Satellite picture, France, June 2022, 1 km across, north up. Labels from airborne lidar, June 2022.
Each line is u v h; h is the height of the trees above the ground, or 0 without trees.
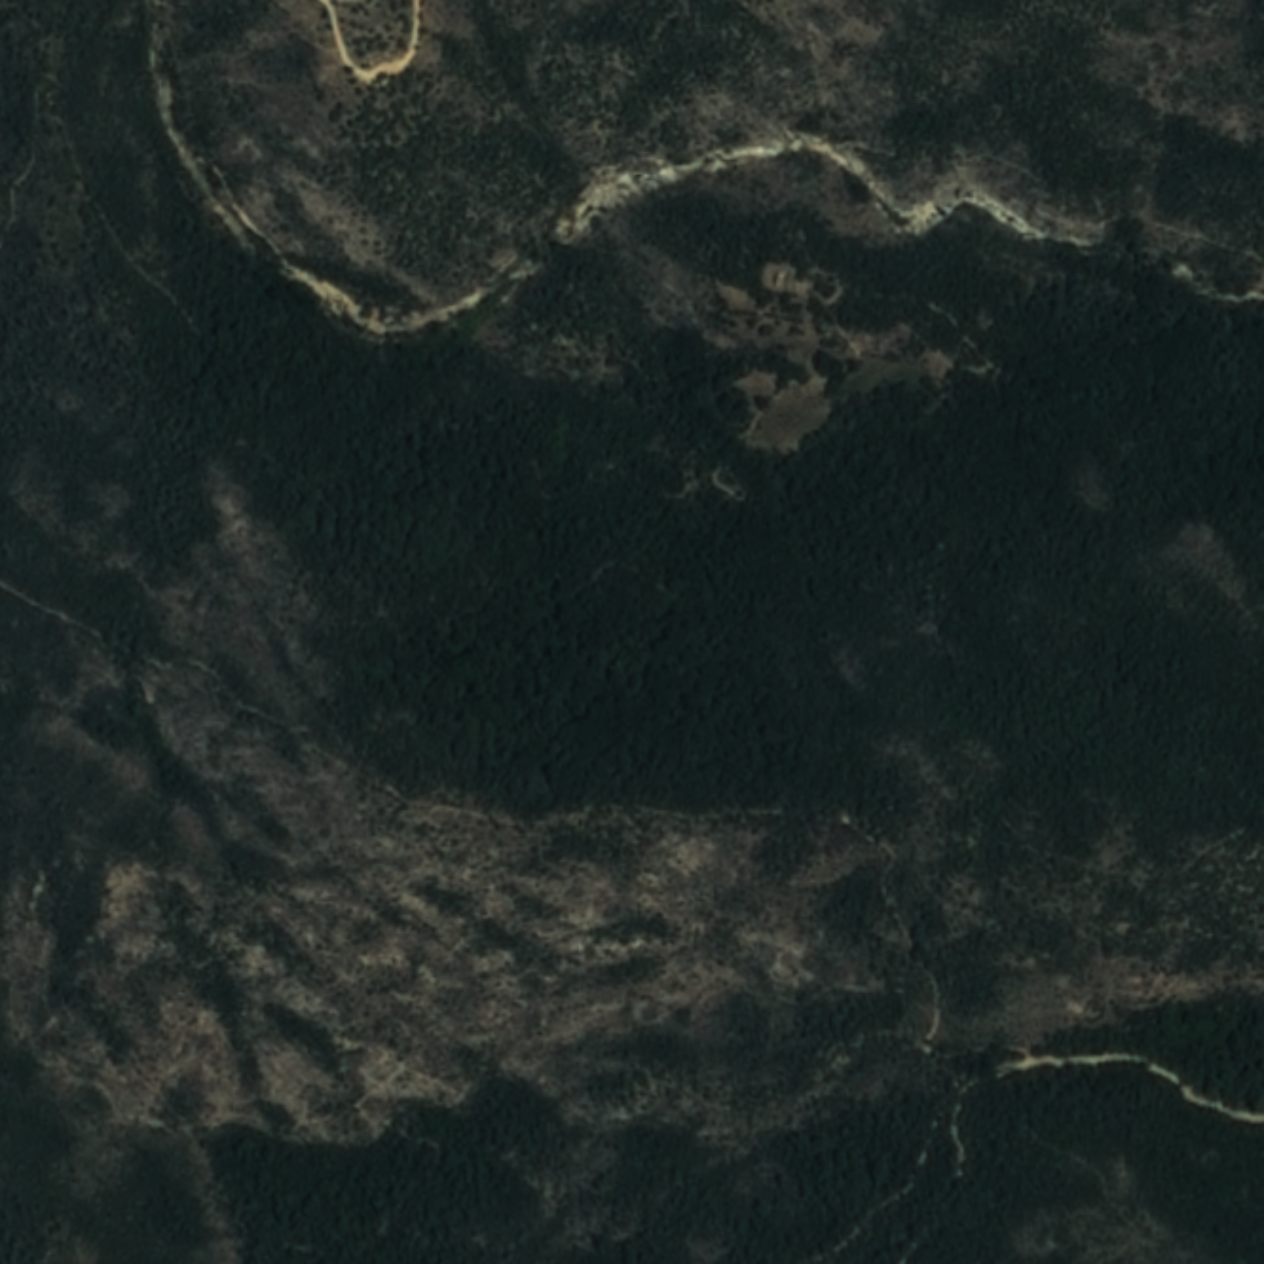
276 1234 14
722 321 7
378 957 0
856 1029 7
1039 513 6
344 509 13
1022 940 6
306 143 0
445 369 7
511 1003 0
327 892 0
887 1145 6
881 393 12
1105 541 10
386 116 7
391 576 10
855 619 7
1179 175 7
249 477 8
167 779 10
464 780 6
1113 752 8
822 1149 14
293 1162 10
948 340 9
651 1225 8
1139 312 6
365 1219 7
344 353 5
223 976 9
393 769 6
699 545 8
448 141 6
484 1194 10
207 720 0
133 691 6
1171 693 8
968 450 7
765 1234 7
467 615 8
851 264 8
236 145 0
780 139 0
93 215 7
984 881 7
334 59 0
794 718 13
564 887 0
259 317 8
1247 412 10
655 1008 0
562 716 10
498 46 6
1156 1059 9
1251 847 6
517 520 12
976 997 6
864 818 10
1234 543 7
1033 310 12
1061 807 7
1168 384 11
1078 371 13
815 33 0
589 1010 0
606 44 9
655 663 12
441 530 13
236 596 0
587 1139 6
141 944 0
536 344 7
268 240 7
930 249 7
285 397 15
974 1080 9
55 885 6
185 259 13
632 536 13
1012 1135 8
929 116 8
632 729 17
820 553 11
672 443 8
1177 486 9
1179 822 7
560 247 14
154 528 6
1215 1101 8
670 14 10
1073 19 7
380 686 13
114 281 8
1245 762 7
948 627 6
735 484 8
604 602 11
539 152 6
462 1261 11
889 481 12
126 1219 8
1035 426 8
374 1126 0
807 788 11
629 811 7
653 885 0
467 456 7
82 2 11
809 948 0
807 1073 6
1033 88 6
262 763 0
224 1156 10
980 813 7
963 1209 13
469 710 14
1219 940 8
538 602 9
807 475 11
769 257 11
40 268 10
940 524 10
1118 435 6
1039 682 7
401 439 6
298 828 0
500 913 0
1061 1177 6
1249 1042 10
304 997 0
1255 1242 6
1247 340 17
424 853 0
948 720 7
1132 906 7
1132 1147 7
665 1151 8
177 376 8
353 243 0
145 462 9
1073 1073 12
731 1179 7
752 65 7
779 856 7
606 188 0
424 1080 0
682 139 5
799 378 13
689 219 7
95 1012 9
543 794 9
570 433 6
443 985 0
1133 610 5
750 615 10
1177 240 0
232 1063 0
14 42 8
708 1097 8
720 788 8
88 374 8
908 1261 7
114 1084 0
